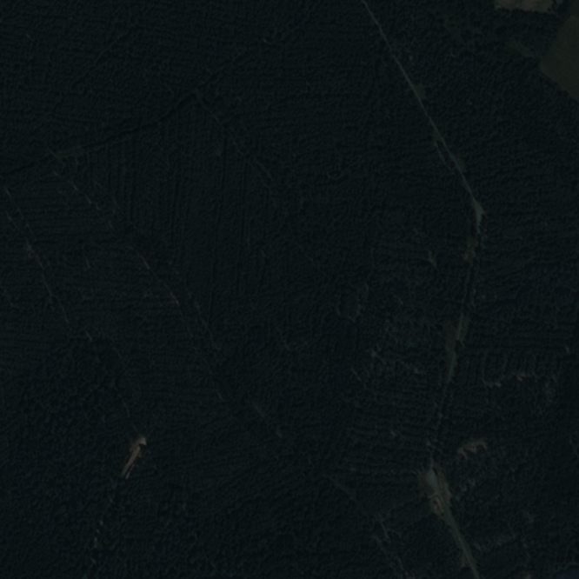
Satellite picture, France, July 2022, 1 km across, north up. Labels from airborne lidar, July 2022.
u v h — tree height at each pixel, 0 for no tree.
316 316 17
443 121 20
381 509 17
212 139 12
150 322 11
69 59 18
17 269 19
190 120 13
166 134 17
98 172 13
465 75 30
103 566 8
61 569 26
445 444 17
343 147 21
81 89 15
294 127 16
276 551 18
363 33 16
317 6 17
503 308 28
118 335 15
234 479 19
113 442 13
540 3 0
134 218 18
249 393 24
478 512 19
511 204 21
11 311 16
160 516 24
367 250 14
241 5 18
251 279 14
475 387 10
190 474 21
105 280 17
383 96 16
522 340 14
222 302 16
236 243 20
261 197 13
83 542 31
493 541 22
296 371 18
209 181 14
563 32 0
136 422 21
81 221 15
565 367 20
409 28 19
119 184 17
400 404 12
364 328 23
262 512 19
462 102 20
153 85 16
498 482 19
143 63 19
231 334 18
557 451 19
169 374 19
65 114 20
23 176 17
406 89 23
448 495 0
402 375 12
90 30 16
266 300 22
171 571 26
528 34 20
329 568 26
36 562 27
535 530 18
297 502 14
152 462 19
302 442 22
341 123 20
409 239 12
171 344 22
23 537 28
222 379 16
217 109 12
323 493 19
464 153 14
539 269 32
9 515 25
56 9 17
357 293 14
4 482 26
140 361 25
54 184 18
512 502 24
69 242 13
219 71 20
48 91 17
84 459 36
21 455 23
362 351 24
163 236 16
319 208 21
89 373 28
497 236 19
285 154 19
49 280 14
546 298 27
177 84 19
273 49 16
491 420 21
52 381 29
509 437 20
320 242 16
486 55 23
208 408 15
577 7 0
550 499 17
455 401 11
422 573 22
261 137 15
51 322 21
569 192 18
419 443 15
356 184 16
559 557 25
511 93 26
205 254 16
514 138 16
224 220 14
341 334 23
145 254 18
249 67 18
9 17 15
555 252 18
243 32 17
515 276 16
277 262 21
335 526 22
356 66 14
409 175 16
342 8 19
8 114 17
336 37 18
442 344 13
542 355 13
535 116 24
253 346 19
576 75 0
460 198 22
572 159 25
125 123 9
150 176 16
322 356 19
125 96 19
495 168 19
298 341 16
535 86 22
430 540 22
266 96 18
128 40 18
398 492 15
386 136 14
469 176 21
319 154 19
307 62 18
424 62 30
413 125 20
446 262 14
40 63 20
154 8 17
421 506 17
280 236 19
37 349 20
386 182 16
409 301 20
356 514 18
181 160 17
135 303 13
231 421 18
